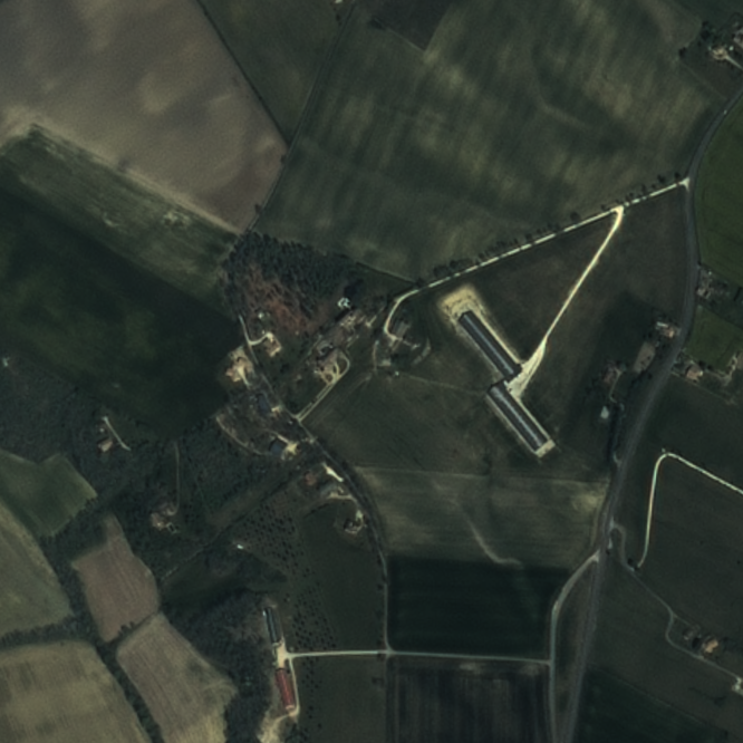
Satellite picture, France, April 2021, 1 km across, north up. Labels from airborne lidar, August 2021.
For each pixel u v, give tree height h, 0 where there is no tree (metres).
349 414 0
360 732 0
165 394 0
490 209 0
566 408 0
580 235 0
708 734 0
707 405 0
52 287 0
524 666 0
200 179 0
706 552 0
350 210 0
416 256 0
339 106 0
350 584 0
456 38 0
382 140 0
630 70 0
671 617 0
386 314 6
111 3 0
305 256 15
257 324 9
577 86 0
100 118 0
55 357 0
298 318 6
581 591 0
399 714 0
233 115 0
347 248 0
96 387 0
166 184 0
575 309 0
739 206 0
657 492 0
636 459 0
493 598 0
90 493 0
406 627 0
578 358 0
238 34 0
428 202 0
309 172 0
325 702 0
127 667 0
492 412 0
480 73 0
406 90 0
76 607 12
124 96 0
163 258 0
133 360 0
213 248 0
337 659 0
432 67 0
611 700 0
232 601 16
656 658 0
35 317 0
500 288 0
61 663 0
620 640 0
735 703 0
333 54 0
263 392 15
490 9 0
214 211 0
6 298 0
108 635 0
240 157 0
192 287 0
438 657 0
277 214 0
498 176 0
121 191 0
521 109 0
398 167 0
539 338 0
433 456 0
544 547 0
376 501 0
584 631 0
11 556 0
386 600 0
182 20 0
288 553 7
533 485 0
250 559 11
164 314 0
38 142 0
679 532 0
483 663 0
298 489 0
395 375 0
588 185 0
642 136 0
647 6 0
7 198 0
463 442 0
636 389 9
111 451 8
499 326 0
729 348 0
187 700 0
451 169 0
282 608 0
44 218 0
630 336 0
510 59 0
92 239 0
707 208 0
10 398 10
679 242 0
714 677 0
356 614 0
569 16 0
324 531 0
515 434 0
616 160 0
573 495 0
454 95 0
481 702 0
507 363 0
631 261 0
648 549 0
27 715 0
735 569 0
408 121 0
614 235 0
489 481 0
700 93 0
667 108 0
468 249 0
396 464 0
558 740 0
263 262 13
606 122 0
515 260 0
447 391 0
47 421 7
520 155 0
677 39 0
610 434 11
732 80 0
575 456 0
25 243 0
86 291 0
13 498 0
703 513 0
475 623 0
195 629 13
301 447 15
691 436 0
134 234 0
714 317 0
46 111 0
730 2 0
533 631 0
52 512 0
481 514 0
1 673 0
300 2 0
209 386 0
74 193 0
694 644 7
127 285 0
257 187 0
